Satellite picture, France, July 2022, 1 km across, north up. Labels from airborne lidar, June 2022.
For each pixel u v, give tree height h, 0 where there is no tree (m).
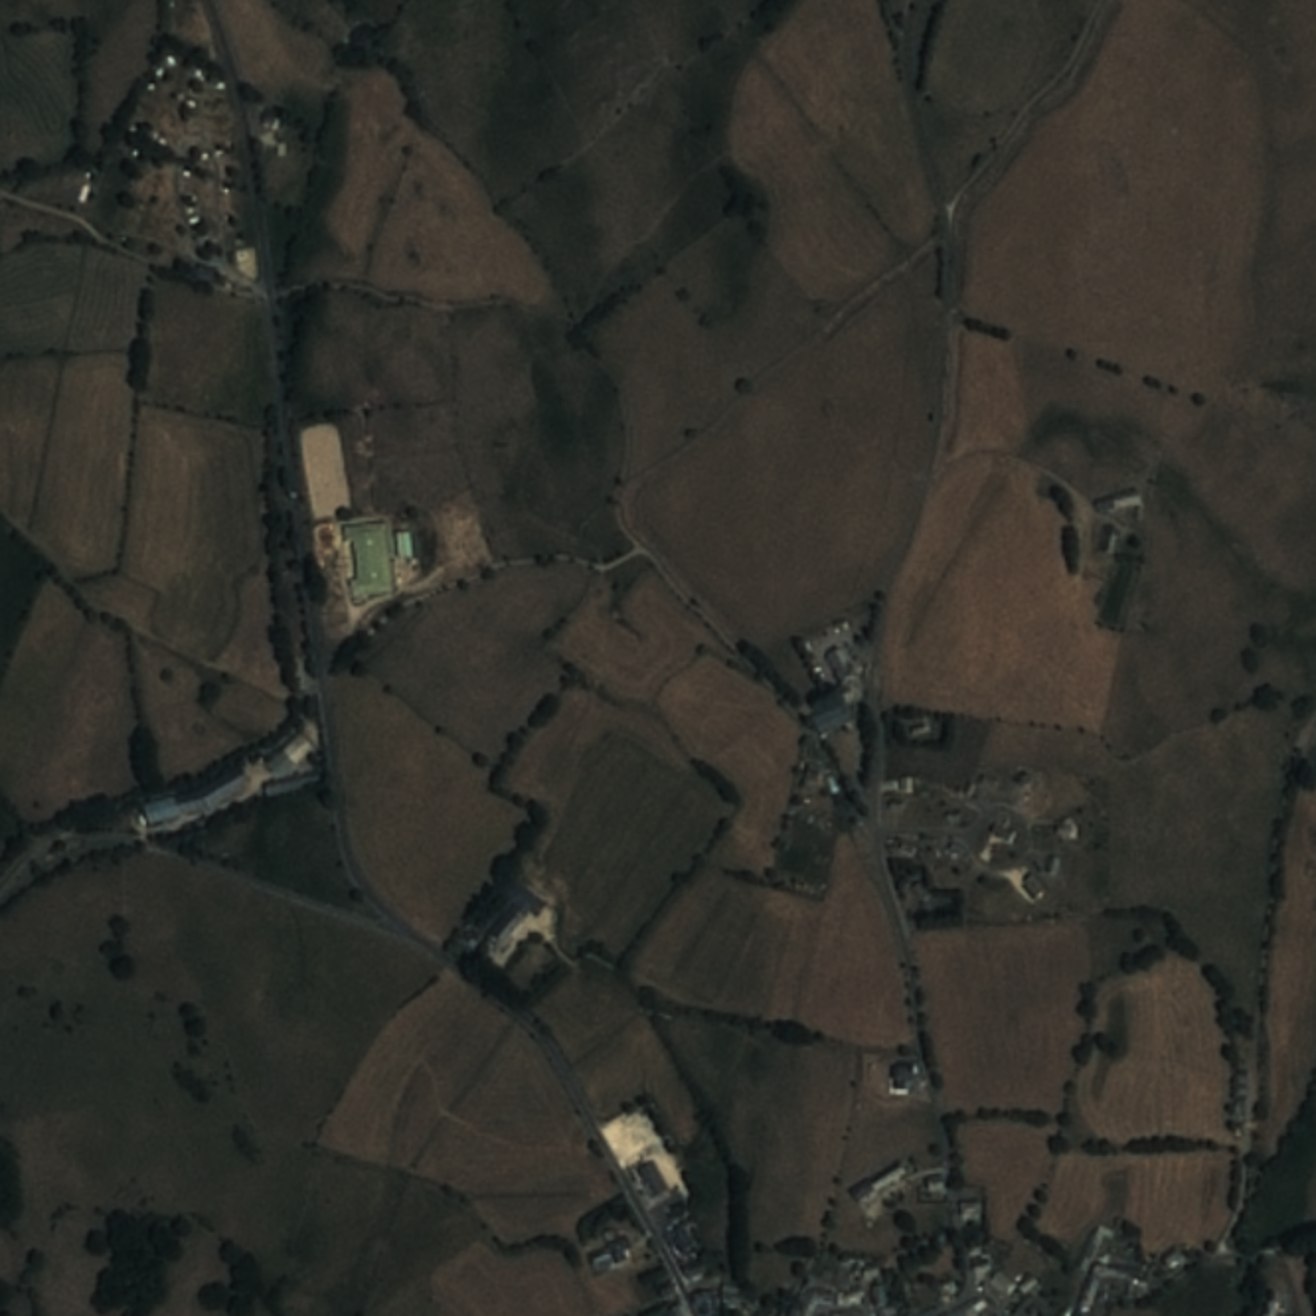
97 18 0
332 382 0
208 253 10
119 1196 0
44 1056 0
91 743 0
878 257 0
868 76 0
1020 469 0
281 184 0
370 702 0
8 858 8
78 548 0
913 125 0
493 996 20
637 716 0
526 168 0
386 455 0
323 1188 0
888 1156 0
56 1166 0
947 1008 0
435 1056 0
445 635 0
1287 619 0
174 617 0
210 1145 0
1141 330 0
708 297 0
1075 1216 0
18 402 0
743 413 0
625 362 0
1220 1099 0
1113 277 0
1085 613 0
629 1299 0
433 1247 0
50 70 0
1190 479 0
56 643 0
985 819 0
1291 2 0
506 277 0
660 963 0
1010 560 0
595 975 0
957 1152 8
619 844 0
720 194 0
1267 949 7
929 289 0
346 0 10
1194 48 0
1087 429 0
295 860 0
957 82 0
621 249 0
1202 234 0
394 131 0
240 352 0
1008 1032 0
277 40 0
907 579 0
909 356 0
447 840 0
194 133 0
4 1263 0
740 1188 15
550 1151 0
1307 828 0
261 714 0
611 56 0
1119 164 0
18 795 0
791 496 0
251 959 0
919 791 0
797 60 0
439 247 0
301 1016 0
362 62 6
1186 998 0
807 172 0
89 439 0
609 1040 0
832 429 0
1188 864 0
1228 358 0
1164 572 0
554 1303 0
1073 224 0
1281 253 0
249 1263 19
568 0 0
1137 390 0
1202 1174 0
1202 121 0
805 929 0
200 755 0
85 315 0
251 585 0
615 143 0
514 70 0
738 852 0
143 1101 0
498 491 0
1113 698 0
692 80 0
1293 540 0
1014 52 0
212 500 0
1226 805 0
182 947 0
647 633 0
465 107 0
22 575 0
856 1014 0
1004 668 0
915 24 0
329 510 0
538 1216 0
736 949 0
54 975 0
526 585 0
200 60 15
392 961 0
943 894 11
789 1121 0
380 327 0
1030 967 0
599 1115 0
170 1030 0
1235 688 0
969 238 0
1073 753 0
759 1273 0
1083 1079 0
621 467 0
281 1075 0
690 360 0
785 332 0
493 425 0
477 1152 0
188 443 0
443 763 0
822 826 0
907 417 0
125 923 13
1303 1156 0
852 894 0
